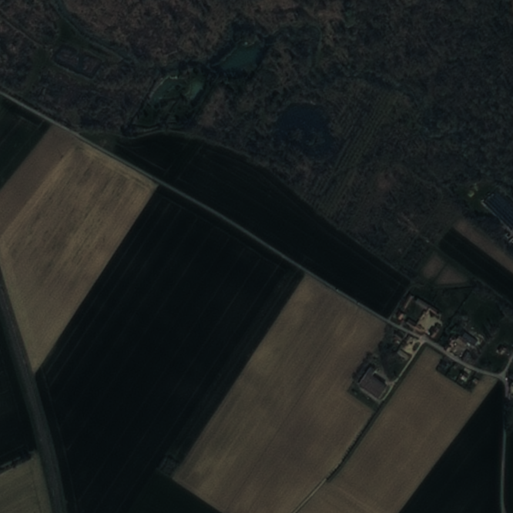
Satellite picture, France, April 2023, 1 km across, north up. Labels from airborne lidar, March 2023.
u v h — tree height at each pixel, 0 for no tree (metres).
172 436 0
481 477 0
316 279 0
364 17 7
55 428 0
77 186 0
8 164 0
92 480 0
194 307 0
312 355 0
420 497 0
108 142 0
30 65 6
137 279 0
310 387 0
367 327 0
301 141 0
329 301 0
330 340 0
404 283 0
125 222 0
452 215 0
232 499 0
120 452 0
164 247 0
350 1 17
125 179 0
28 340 0
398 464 0
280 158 18
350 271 0
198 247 0
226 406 0
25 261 0
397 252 0
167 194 0
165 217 0
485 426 0
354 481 0
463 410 0
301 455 0
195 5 31
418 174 18
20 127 0
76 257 0
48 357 0
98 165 0
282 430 0
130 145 0
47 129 0
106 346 0
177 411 0
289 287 0
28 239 0
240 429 0
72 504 0
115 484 0
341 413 0
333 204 23
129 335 0
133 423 0
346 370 0
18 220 0
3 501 0
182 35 27
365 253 0
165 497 0
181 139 0
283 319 0
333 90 20
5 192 0
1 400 0
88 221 0
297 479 0
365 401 0
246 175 0
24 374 0
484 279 0
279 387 0
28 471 0
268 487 0
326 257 0
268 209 0
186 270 0
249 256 0
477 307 0
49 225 0
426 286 0
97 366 0
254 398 0
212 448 0
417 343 0
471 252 0
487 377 0
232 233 0
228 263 0
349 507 0
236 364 0
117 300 0
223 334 0
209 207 0
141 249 0
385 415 0
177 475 0
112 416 0
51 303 0
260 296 0
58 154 0
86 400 0
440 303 0
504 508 0
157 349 0
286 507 0
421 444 0
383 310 0
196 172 0
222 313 0
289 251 0
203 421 0
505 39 30
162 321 0
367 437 0
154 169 0
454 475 0
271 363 0
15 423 0
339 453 0
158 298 0
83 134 0
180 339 0
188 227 0
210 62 9
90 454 0
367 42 7
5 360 0
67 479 0
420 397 0
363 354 0
